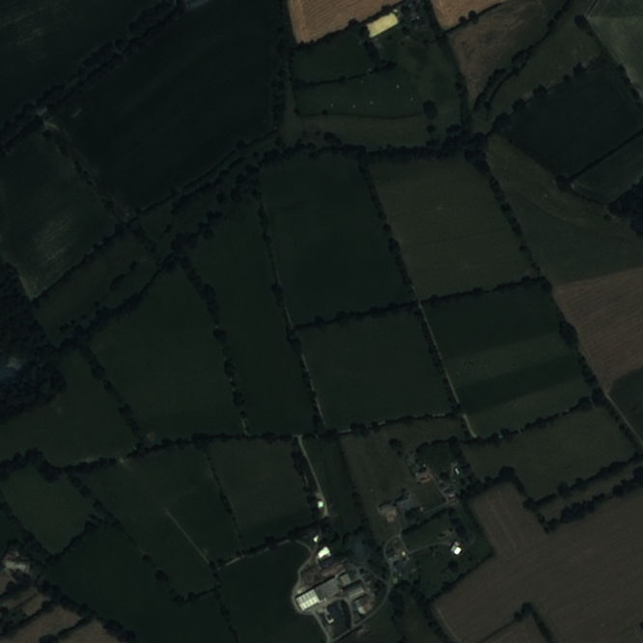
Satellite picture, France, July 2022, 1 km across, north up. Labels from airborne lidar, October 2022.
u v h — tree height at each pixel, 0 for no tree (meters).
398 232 0
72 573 0
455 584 8
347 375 0
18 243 0
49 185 0
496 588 0
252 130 0
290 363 0
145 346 0
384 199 0
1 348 25
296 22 0
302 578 0
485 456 0
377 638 0
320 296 0
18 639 0
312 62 0
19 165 0
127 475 0
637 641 0
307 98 0
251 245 0
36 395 30
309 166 0
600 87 0
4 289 28
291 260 0
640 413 0
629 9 0
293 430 0
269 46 0
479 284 0
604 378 0
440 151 15
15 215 0
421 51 0
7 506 13
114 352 0
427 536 0
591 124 0
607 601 0
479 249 0
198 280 15
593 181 0
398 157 20
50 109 16
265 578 0
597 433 0
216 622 0
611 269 0
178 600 16
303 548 0
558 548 0
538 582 0
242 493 0
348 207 0
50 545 0
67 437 0
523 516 0
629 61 0
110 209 17
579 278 0
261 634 0
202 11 0
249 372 0
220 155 0
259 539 0
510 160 0
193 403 0
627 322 0
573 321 0
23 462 15
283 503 0
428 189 0
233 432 0
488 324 0
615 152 6
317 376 0
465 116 8
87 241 0
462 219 0
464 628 0
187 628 0
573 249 0
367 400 0
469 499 8
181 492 0
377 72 13
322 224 0
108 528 9
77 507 0
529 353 0
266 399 0
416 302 10
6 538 0
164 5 15
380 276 0
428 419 9
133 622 0
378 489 0
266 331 0
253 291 0
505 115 10
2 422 10
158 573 7
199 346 0
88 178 10
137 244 0
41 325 21
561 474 0
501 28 0
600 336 0
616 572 0
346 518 0
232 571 0
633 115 0
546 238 0
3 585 0
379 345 0
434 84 0
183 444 11
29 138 16
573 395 0
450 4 0
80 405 0
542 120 0
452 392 11
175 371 0
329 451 0
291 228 0
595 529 0
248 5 0
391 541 0
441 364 16
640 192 17
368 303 0
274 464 0
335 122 0
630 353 0
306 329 9
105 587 0
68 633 9
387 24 0
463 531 17
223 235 0
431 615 8
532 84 0
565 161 0
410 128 0
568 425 0
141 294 8
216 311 15
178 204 13
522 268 0
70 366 0
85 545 0
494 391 0
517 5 0
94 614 8
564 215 0
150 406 0
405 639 8
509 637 0
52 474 18
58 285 6
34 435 0
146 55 0
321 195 0
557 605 0
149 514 0
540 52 0
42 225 0
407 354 0
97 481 0
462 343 0
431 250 0
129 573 0
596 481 9
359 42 0
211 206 0
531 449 0
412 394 0
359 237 0
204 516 0
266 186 0
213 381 0
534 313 0
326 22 0
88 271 0
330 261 0
